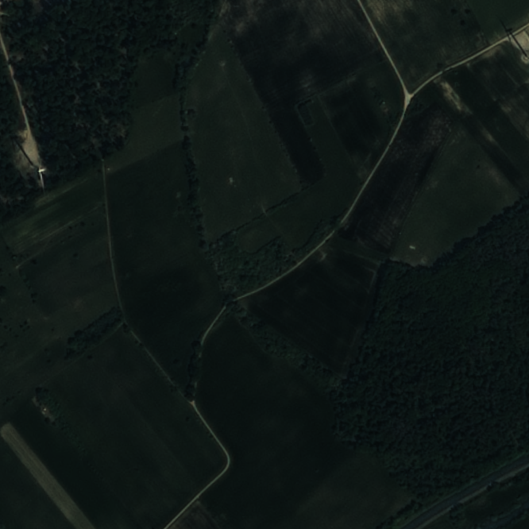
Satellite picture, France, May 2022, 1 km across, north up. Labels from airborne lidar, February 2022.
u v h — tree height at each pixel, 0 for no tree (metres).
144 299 0
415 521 0
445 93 0
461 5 0
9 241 0
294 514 0
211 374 0
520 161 0
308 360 18
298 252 8
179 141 0
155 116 0
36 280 0
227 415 0
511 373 27
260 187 0
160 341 0
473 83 0
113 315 9
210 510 5
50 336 0
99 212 0
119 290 0
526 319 11
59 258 0
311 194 0
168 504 0
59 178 24
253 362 0
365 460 0
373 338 21
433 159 0
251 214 0
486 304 12
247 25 0
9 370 0
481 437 28
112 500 0
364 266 0
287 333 0
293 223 0
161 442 0
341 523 0
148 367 0
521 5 0
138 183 0
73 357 13
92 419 0
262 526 0
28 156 0
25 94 0
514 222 23
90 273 0
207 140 0
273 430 0
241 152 0
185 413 0
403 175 0
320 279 0
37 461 0
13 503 0
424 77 0
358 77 0
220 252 6
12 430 0
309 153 0
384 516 0
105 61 36
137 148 0
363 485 0
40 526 0
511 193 0
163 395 0
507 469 0
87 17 36
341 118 0
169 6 9
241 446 0
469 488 0
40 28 34
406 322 21
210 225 0
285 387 0
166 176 0
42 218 0
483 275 13
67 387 0
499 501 0
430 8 0
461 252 25
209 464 0
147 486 0
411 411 28
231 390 0
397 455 20
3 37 0
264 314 0
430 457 25
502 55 0
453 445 15
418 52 0
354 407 25
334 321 0
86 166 23
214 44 0
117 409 0
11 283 0
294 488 0
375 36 0
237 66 0
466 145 0
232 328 0
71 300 0
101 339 14
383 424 26
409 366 16
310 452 0
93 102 35
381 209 0
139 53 18
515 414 22
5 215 18
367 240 0
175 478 0
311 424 0
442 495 6
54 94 35
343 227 0
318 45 0
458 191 0
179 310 0
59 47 32
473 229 0
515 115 0
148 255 0
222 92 0
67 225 0
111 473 0
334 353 0
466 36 0
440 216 0
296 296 0
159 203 0
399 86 0
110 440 0
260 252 6
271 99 0
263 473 0
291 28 0
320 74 0
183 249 0
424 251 0
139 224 0
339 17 0
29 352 0
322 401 0
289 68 0
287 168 0
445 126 0
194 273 0
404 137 0
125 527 0
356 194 0
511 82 0
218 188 0
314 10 0
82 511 0
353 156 0
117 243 0
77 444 6
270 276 7
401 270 8
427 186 0
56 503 0
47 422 10
